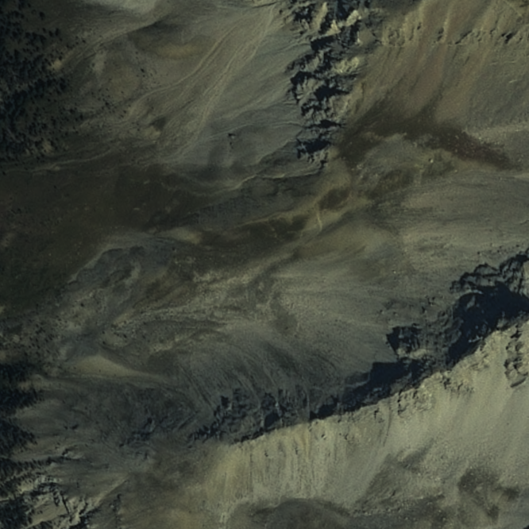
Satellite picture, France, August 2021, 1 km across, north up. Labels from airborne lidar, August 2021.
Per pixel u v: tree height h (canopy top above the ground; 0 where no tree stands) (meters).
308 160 0
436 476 0
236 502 0
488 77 0
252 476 0
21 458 0
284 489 0
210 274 0
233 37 0
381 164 0
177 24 0
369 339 0
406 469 0
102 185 0
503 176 0
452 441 0
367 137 0
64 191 0
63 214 0
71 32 0
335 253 0
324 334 0
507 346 0
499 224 0
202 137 0
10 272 0
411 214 0
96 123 0
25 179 0
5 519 9
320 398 0
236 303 0
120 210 0
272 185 0
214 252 0
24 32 6
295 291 0
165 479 0
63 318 0
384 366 0
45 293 0
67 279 0
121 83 0
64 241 0
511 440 0
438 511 0
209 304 0
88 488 0
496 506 0
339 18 0
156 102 0
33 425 0
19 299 0
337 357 0
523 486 0
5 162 7
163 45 0
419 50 0
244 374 0
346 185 0
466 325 0
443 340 0
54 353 0
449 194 0
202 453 0
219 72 0
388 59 0
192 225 0
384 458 0
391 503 0
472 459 0
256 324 0
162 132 0
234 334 0
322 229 0
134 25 0
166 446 0
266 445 0
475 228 0
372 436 0
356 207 0
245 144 0
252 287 0
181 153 0
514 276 0
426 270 0
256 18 0
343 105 0
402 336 0
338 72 0
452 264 0
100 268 0
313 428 0
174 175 0
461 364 0
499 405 0
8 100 9
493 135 0
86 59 0
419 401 0
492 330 0
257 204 0
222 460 0
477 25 0
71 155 0
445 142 0
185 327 0
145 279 0
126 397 0
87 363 0
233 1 0
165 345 0
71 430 0
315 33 0
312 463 0
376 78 0
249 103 0
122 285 0
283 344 0
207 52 0
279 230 0
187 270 0
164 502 0
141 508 0
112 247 0
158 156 0
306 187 0
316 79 0
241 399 0
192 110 0
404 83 0
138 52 0
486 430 0
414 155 0
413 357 0
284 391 0
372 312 0
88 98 0
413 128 0
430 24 0
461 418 0
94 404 0
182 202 0
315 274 0
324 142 0
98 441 0
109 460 0
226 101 0
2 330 0
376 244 0
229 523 0
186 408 0
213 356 0
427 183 0
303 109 0
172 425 0
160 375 0
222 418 0
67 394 0
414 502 0
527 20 0
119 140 0
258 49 0
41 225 0
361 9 0
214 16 0
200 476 0
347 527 0
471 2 0
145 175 0
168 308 0
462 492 0
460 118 0
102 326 0
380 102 0
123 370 0
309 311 0
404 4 0
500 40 0
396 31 0
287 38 0
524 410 0
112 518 0
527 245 0
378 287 0
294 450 0
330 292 0
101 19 0
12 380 20
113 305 0
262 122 0
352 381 0
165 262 0
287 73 0
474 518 0
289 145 0
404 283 0
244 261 0
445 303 0
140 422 0
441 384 0
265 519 0
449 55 0
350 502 0
